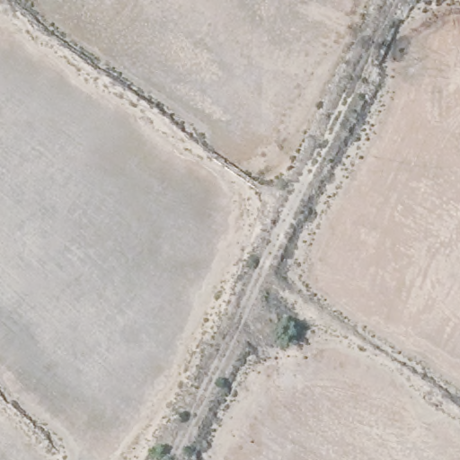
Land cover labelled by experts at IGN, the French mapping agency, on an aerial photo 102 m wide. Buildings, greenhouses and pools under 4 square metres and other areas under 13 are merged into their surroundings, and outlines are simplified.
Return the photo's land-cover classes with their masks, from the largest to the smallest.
<instances>
[{"label":"pervious surface","instance_id":"1","mask_svg":"<svg viewBox=\"0 0 460 460\"><path fill-rule=\"evenodd\" d=\"M402 2L408 5V11L402 18L399 34L410 38V49L406 50L401 61H386V83L368 111L365 126H361L358 131L361 140L350 144L341 164L336 167L334 180L325 187L316 203V217L311 223H307L298 235L295 253L287 259L289 280L282 284L275 277L273 266L279 261L289 228L295 223V212L300 207L302 199L316 190L318 180L329 172V158L334 155L338 142L347 135V131L341 129L345 111H338V104H343L347 110H359V93L370 95L377 83L363 75L367 66L377 68L376 49H361V40L367 36L377 41L390 40V23L399 20L397 7ZM34 7L38 13L45 14L47 22L56 23L57 29L65 32L68 40L75 41L83 49L99 57V65L115 66L124 77H128L133 86L140 88L146 95H151L156 101L162 102L165 110L171 111L185 122V128L190 129V133H205L208 144H212L217 151L243 165L248 171H261L262 167L270 165L271 171L266 174V180H273L282 174L293 187V194L289 196L286 207L280 214L279 225L275 226L271 225V219L275 201L280 198L282 190L264 187L239 176L235 169L219 162L214 155L207 153L203 147L189 140V137H185L180 129L172 126L171 120L160 115L156 108H151L147 102L140 101L137 95L113 83L110 77L93 70L81 57L65 49L52 36H47L36 23H31L29 16L23 14L22 7L18 11H13L5 0H0V385L9 399L20 402L34 419L47 424V429L56 444V455L47 453V440L40 431L32 428L29 420L23 419L11 404H5L0 399V460H155L149 455V449L153 446L167 444L171 446L172 455L178 456L185 451V447L194 442L199 426L207 415L210 401L216 397L219 390V386L216 385L217 379L232 372L246 341L257 345L259 352L248 358L246 365L239 370L237 379L232 383V388L237 390V399L230 406V410L217 413L221 419V426L214 433L212 447L207 453H203V460H460V408L447 401L437 388H433L424 379L413 376L410 370L385 358L365 341L358 340L352 332L345 331L341 323L350 318L358 325H368L376 334L386 336L399 349L410 350L411 356L426 359L429 376L435 377L440 385L449 388L453 394L460 395V0H38ZM287 316H298L300 320L309 323L305 334L309 341L284 350L279 349L280 341L275 336L282 332Z\"/></svg>","mask_w":460,"mask_h":460},{"label":"brushwood","instance_id":"2","mask_svg":"<svg viewBox=\"0 0 460 460\"><path fill-rule=\"evenodd\" d=\"M13 11H18L22 7L23 14L29 16L31 23H36L47 36H52L65 49L81 57L93 70L110 77L113 83L137 95L140 101L147 102L151 108H156L160 115L171 120L172 126L180 129L185 137H189V140L203 147L207 153L214 155L219 162L235 169L239 176L264 187L282 190L280 198L275 201L271 219V225L275 226L279 225L280 214L286 207L289 196L293 194V187L282 174L273 180H266V174L271 171L270 165L262 167L261 171H248L243 165L217 151L212 144H208L205 133H190V129L185 128V122L171 111L165 110L162 102L156 101L151 95H146L140 88L133 86L128 77H124L115 66L99 65V57L83 49L75 41L68 40L65 32L57 29L56 23L47 22L45 14L38 13L34 7L38 0H5ZM408 11V5L402 2L397 7L399 20L390 23V40L377 41L367 36L361 40V49H376L377 68L367 66L363 75L377 83L370 95L359 93V110H347L343 104H338V111H345L341 129L347 131V135L338 142L334 155L329 158V172L318 180L316 190L302 199L300 207L295 212V223L289 228L279 261L273 266L275 277L282 284L289 280L287 259L295 253L298 235L307 223H311L316 217V203L325 187L334 180L336 167L341 164L350 144L361 140L358 131L361 126H365L368 111L386 83V61H401L406 50L410 49V38L399 34L402 18ZM309 323L300 320L298 316H287L282 332L275 336L280 341L279 349L284 350L309 341L305 334ZM345 331L352 332L358 340L365 341L385 358L410 370L413 376L424 379L433 388H437L447 401L460 408V395L453 394L449 388L440 385L435 377L429 376L426 359L411 356L410 350L399 349L386 336L376 334L368 325H358L350 318L341 323ZM259 352L257 345L246 341L232 372L217 379L216 385L219 386V390L216 397L210 401L207 415L199 426L194 442L185 447V451L178 456L172 455L171 446L167 444L153 446L149 449V455L155 460H203V453H207L212 447L214 433L221 426V419L217 413L230 410V406L237 399V390L232 388V383L237 379L239 370L246 365L248 358ZM0 399L5 404H11L23 419L29 420L32 428L40 431L47 440V453L56 455V444L47 429V424L34 419L20 402L9 399L0 385Z\"/></svg>","mask_w":460,"mask_h":460}]
</instances>
